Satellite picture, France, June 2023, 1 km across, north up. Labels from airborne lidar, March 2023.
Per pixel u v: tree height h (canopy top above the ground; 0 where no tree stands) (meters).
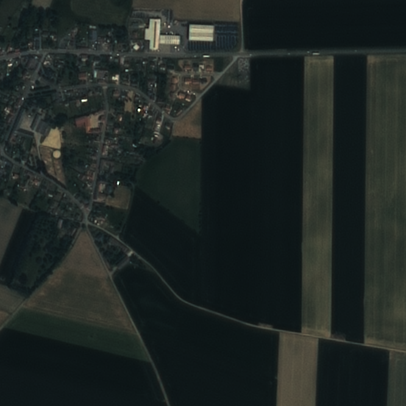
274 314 0
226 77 0
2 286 0
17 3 0
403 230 0
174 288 0
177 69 0
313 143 0
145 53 0
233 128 0
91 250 0
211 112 0
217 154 0
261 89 0
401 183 0
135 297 0
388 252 0
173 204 0
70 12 0
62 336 0
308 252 0
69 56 16
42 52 0
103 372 0
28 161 7
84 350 0
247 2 0
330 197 0
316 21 0
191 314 0
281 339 0
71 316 0
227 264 0
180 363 0
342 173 0
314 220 0
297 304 0
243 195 0
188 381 0
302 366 0
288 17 0
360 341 0
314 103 0
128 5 0
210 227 0
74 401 0
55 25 13
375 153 0
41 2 0
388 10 0
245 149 0
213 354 0
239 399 0
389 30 0
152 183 0
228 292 0
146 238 0
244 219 0
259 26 0
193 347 0
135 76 9
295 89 0
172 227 0
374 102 0
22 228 0
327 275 0
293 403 0
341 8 0
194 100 0
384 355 0
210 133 0
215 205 0
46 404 0
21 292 22
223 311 0
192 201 0
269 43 0
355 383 0
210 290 0
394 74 0
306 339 0
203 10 0
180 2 0
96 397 0
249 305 0
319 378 0
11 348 0
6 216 0
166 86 0
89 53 0
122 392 0
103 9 0
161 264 0
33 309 0
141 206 0
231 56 0
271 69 0
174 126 0
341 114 0
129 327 0
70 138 0
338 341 0
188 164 0
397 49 0
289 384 0
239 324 0
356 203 0
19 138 0
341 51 0
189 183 0
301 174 0
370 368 0
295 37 0
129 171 9
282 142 0
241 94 0
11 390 0
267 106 0
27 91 0
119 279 0
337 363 0
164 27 0
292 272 0
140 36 0
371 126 0
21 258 25
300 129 0
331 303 0
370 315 0
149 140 0
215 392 0
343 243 0
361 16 0
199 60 0
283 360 0
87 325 0
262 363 0
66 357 0
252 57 0
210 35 0
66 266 0
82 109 0
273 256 0
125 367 0
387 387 0
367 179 0
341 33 0
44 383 0
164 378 0
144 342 0
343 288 0
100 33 0
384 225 0
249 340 0
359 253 0
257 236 0
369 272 0
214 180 0
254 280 0
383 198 0
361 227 0
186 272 0
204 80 8
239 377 0
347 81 0
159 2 0
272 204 0
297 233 0
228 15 0
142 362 0
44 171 11
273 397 0
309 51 0
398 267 0
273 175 0
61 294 0
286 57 0
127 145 0
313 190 0
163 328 0
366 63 0
